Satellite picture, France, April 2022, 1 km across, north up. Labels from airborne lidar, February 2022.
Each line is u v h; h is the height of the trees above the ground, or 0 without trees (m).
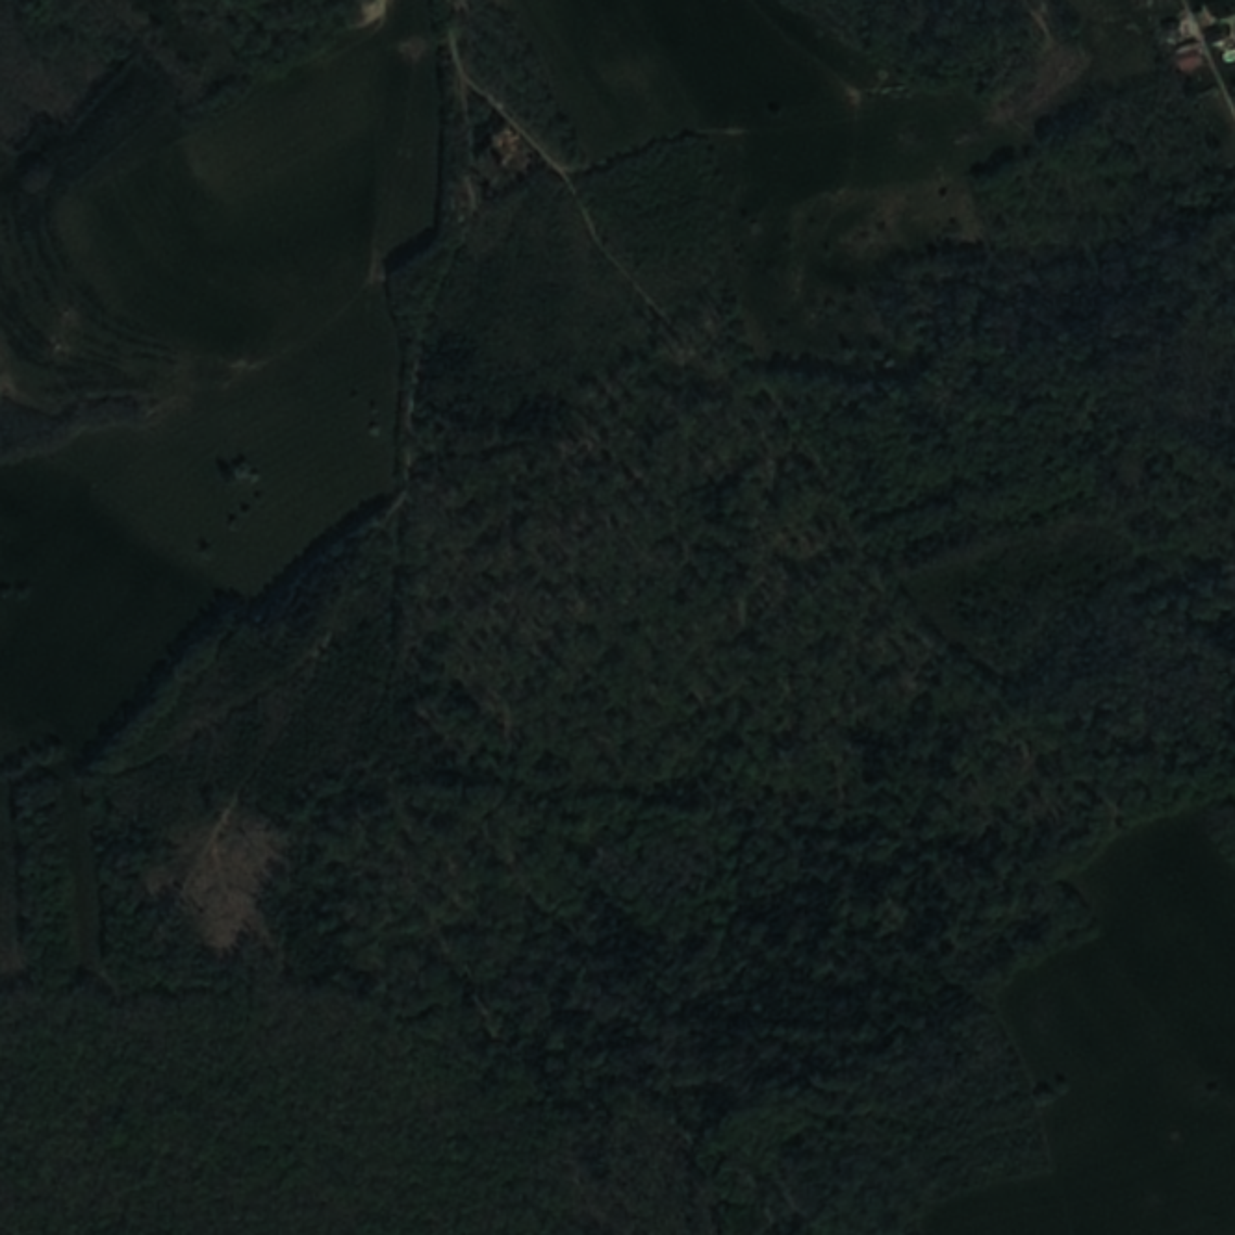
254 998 22
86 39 18
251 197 0
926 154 0
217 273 0
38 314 0
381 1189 25
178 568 0
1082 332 28
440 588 26
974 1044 16
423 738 10
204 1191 22
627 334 9
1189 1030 0
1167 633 36
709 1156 21
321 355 0
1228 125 0
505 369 15
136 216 0
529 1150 22
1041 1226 0
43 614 0
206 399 0
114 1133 23
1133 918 0
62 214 0
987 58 27
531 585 25
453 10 13
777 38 0
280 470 0
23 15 15
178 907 23
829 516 7
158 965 24
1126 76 0
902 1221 26
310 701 5
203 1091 19
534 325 10
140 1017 27
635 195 13
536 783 14
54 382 0
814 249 0
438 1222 23
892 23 25
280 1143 21
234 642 15
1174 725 25
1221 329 26
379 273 0
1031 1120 9
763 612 23
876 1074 23
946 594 0
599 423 22
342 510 0
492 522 12
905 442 26
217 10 15
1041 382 27
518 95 17
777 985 20
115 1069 25
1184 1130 0
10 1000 21
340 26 15
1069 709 30
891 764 10
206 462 0
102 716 0
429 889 29
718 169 7
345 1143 21
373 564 15
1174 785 27
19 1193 23
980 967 25
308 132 0
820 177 0
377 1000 23
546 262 11
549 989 32
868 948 10
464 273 11
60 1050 25
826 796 28
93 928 0
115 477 0
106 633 0
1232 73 0
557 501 7
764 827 22
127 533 0
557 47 0
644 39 0
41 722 0
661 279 11
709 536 12
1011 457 26
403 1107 21
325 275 0
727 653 26
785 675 25
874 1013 10
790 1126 18
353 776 10
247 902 0
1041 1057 0
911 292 29
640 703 28
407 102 0
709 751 11
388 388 0
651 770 27
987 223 20
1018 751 29
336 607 11
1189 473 12
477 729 29
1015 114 17
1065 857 26
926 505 25
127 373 0
